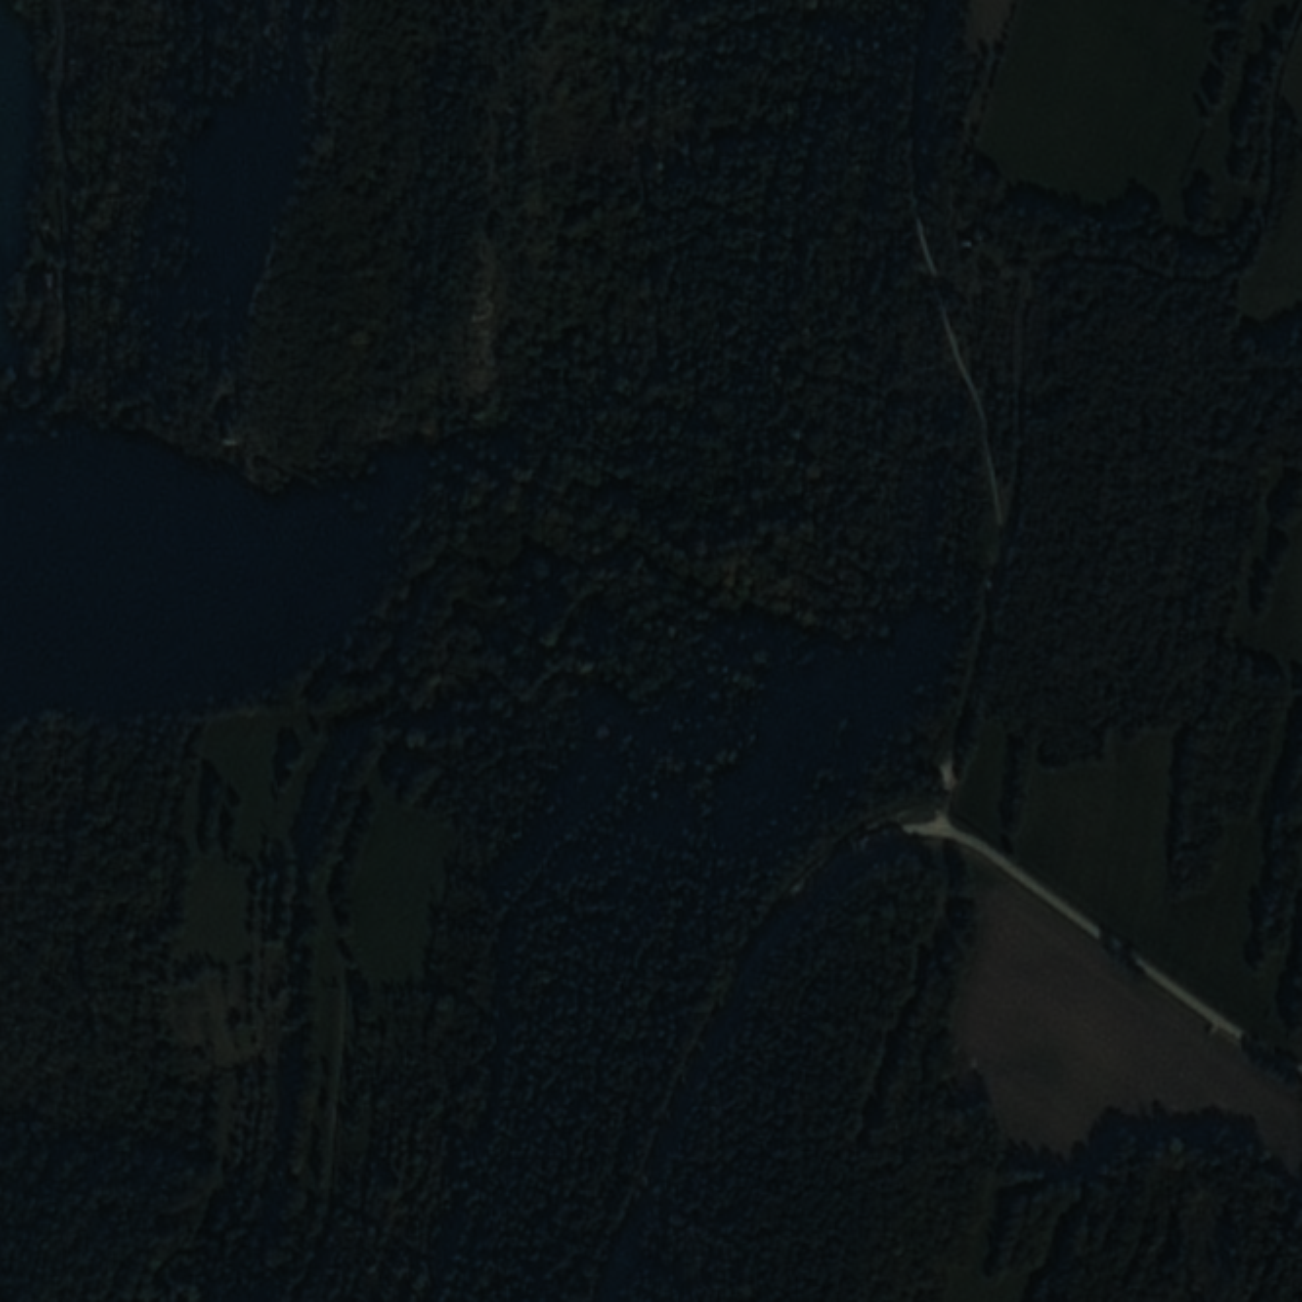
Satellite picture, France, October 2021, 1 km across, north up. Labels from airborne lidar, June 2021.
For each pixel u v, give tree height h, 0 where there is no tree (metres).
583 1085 18
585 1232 11
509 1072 13
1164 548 8
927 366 6
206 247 14
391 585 25
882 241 12
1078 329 13
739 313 16
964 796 0
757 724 17
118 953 14
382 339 11
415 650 21
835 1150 13
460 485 26
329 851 19
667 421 15
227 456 10
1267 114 11
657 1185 9
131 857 14
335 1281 9
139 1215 22
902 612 7
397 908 0
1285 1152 0
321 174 11
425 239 7
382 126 13
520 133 9
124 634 30
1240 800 14
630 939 19
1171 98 0
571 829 20
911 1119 15
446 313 13
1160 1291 16
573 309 11
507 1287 16
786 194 12
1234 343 15
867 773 15
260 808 0
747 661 26
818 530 18
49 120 12
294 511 23
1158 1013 0
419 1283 9
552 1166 19
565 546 25
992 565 0
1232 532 11
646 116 9
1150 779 0
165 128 10
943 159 13
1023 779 11
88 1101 12
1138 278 9
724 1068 11
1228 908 0
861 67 19
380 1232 7
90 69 6
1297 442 15
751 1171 15
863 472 13
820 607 14
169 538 23
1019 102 0
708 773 20
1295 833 19
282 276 10
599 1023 16
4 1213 15
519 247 6
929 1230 16
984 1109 17
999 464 8
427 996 6
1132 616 11
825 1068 15
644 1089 8
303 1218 8
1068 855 0
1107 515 8
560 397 13
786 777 12
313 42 9
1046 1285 10
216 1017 0
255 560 19
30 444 24
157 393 6
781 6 17
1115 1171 21
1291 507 16
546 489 29
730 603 31
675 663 25
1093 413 11
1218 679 17
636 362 9
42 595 22
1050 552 13
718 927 14
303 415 14
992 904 0
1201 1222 0
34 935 11
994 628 10
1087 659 12
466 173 10
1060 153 0
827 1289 16
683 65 7
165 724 23
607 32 11
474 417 15
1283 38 8
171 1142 20
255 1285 8
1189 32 0
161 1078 8
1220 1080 0
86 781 12
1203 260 16
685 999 12
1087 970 0
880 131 14
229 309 6
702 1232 15
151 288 14
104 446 11
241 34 9
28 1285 14
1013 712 11
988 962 0
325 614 19
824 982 16
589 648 7
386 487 20
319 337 15
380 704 9
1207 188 10
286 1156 17
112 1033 11
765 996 16
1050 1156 0
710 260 16
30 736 7
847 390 11
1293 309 0
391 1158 6
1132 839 0
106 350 8
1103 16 0
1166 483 9
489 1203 14
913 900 18
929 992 13
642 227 6
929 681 13
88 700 15
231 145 11
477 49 7
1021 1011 0
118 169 8
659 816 14
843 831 15
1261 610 13
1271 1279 15
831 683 19
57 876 9
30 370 20
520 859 8
